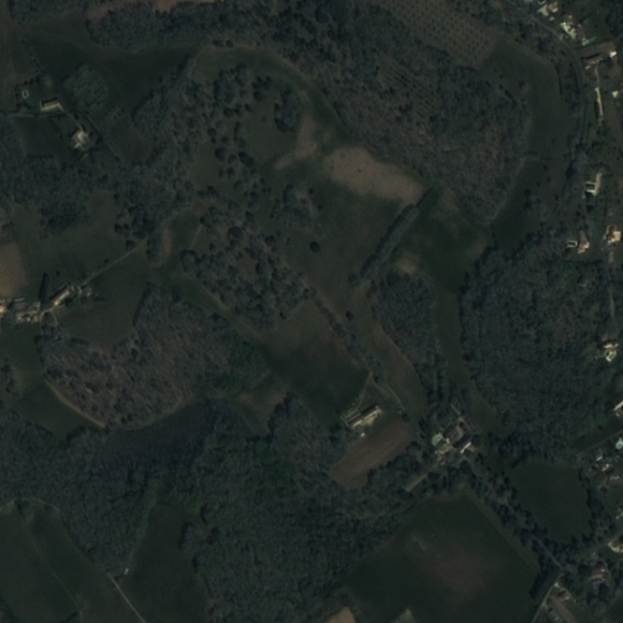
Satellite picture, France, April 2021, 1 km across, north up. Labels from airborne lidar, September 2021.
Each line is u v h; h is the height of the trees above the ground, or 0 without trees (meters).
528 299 14
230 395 28
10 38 0
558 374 16
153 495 24
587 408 17
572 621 0
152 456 12
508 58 0
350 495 13
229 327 21
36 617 0
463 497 0
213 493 25
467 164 12
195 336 20
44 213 13
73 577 0
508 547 0
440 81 7
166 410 24
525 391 16
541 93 0
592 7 0
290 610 20
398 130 16
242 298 18
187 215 0
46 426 0
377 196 0
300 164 0
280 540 18
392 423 0
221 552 26
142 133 16
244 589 22
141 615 0
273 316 15
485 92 19
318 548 20
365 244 0
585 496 0
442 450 0
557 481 0
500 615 0
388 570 0
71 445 12
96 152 13
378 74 7
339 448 17
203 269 21
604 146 6
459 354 0
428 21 9
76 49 0
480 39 12
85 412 14
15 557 0
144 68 0
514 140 24
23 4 20
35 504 16
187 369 19
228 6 11
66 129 0
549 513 0
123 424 13
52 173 14
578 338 10
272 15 16
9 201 21
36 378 0
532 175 0
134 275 0
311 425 22
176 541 0
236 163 17
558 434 14
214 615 18
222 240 14
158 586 0
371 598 0
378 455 0
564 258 9
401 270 0
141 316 16
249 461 28
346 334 13
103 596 0
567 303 15
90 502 24
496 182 16
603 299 9
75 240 0
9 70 0
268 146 0
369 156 0
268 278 11
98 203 0
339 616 0
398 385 0
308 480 19
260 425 0
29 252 0
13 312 10
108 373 18
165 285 0
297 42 16
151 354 18
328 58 10
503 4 16
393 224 0
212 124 13
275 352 0
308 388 0
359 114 20
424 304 19
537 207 16
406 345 23
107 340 0
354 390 0
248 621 19
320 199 0
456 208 0
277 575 23
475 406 13
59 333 8
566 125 0
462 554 0
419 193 0
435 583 0
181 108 20
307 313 0
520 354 16
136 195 15
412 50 17
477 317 16
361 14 16
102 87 6
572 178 14
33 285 0
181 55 0
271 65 0
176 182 12
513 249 0
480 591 0
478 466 8
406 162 18
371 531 16
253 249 11
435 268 0
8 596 0
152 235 15
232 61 0
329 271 0
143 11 20
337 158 0
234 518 22
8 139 23
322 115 0
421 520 0
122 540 16
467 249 0
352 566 12
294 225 16
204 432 11
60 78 0
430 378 22
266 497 27
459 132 14
